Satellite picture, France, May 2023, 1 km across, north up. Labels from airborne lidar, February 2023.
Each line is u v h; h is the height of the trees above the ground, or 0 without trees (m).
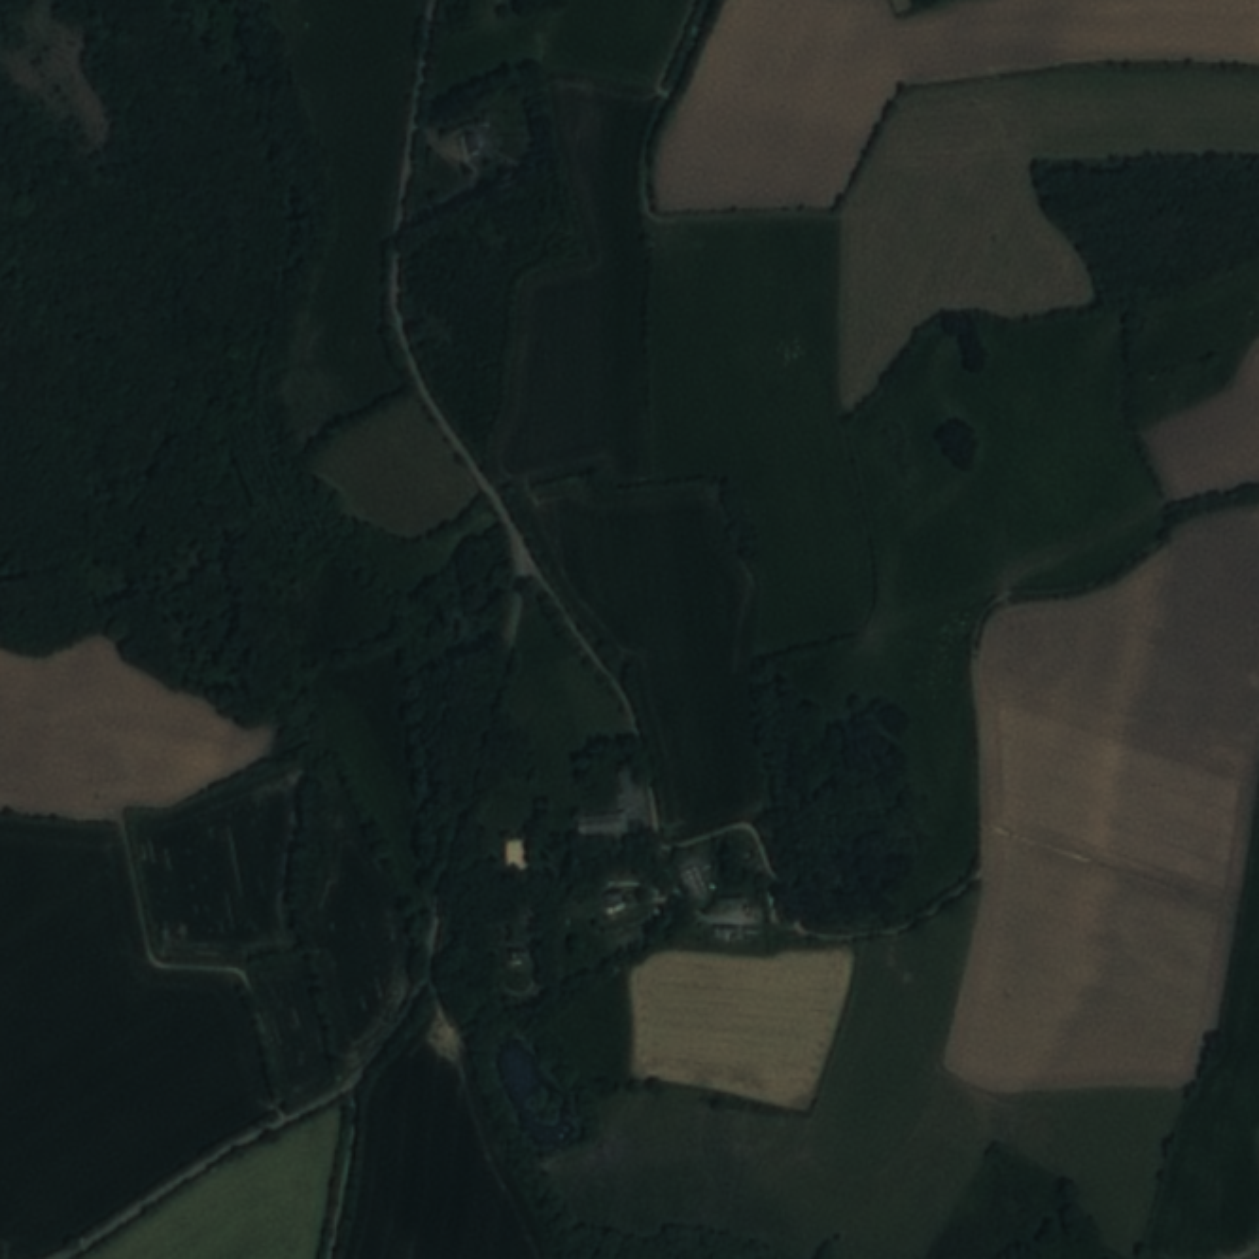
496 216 7
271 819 0
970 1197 0
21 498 14
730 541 7
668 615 0
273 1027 0
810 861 13
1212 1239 0
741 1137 0
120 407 19
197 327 21
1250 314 0
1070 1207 11
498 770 20
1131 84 0
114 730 0
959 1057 0
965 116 0
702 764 0
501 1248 0
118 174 14
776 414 0
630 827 10
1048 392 0
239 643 20
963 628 0
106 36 15
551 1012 15
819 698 0
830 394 0
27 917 0
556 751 0
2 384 16
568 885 12
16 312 16
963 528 0
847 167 0
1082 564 0
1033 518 0
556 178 7
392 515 0
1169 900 0
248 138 14
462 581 14
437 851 15
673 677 0
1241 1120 0
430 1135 0
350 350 0
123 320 20
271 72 22
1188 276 13
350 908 0
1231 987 0
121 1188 0
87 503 14
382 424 0
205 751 0
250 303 22
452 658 17
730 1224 0
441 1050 0
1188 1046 0
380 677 0
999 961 0
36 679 0
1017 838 0
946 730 0
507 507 11
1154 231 17
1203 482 0
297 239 24
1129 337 9
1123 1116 0
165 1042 0
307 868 17
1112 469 0
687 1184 0
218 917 0
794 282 0
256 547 21
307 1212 0
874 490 0
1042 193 13
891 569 0
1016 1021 0
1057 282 0
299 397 0
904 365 7
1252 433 0
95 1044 0
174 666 16
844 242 0
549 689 0
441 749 19
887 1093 0
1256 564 0
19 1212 0
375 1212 0
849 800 11
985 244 0
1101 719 0
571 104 0
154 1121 0
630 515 0
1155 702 0
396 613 10
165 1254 0
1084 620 0
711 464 0
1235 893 0
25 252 18
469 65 0
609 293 0
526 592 17
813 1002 0
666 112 11
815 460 0
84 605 18
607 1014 0
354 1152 9
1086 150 0
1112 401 0
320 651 0
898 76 0
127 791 0
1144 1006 0
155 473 20
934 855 0
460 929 20
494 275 8
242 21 19
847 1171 0
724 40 0
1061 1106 0
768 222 0
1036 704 0
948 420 0
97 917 0
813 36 0
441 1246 0
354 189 0
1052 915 0
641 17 0
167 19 23
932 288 0
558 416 0
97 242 15
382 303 6
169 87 17
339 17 0
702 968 0
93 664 0
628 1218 0
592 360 0
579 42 0
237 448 18
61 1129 0
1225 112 0
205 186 12
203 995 0
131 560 14
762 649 0
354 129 0
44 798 0
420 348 9
